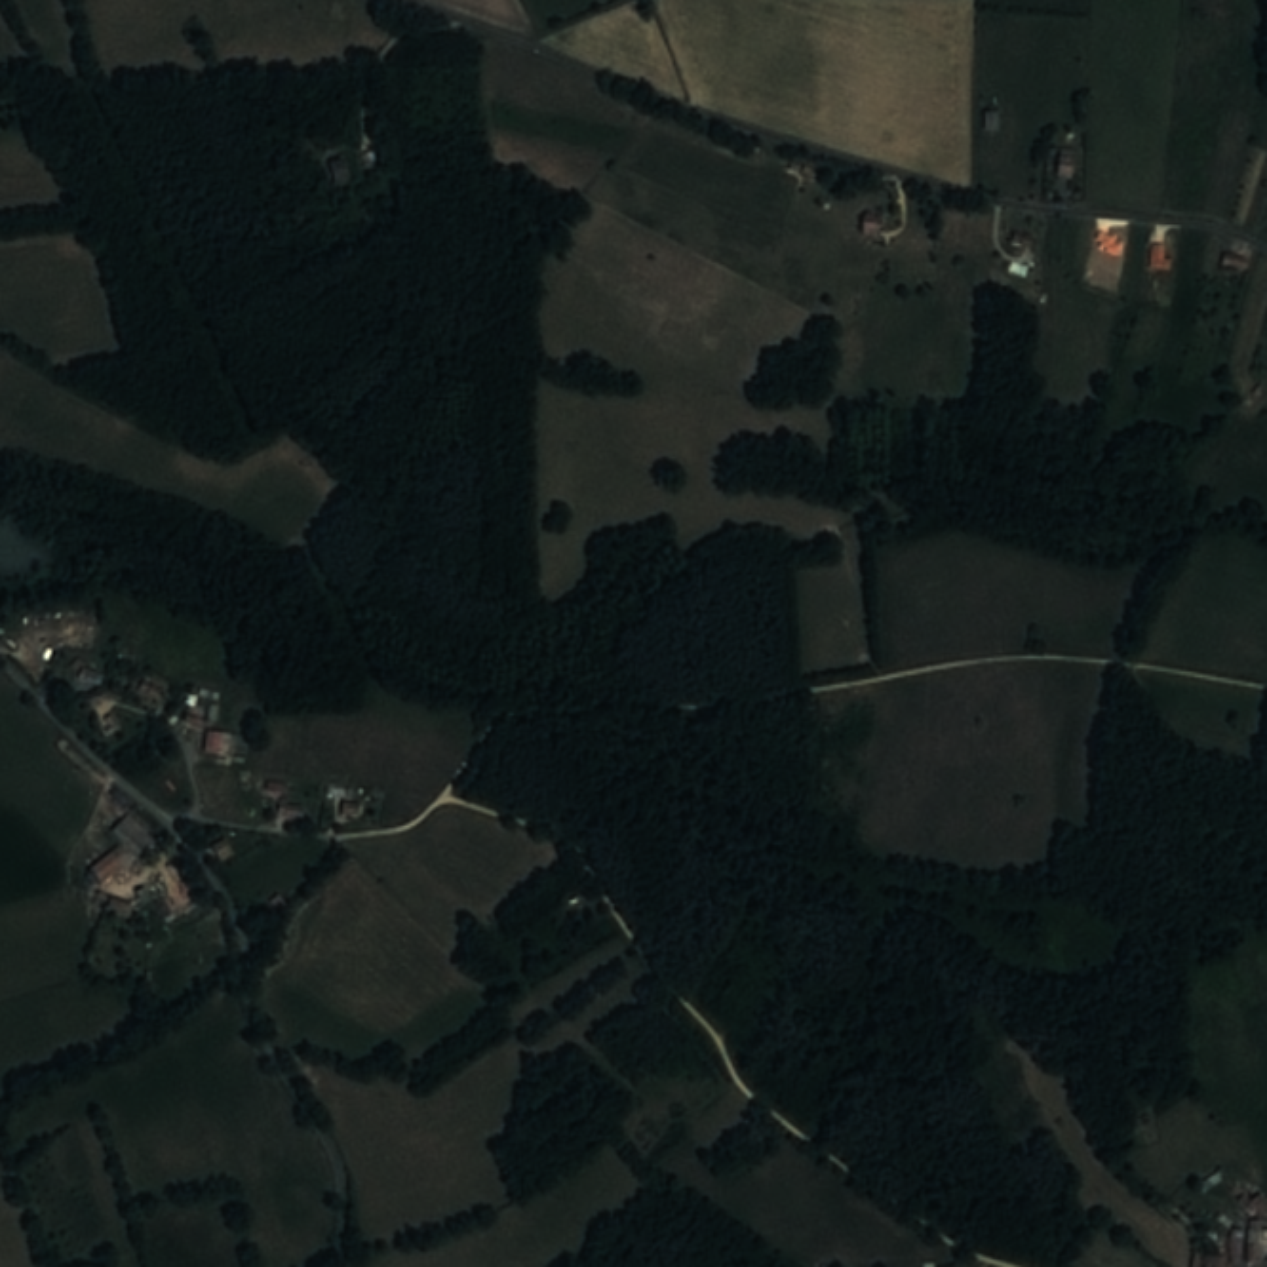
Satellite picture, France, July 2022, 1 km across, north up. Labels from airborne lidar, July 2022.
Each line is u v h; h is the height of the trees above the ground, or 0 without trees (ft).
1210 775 72
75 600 72
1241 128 0
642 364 0
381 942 0
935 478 105
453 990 0
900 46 0
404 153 34
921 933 72
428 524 76
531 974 43
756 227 0
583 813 47
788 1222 0
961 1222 44
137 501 33
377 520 91
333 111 42
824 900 68
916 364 0
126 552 84
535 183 60
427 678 64
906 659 0
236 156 47
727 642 60
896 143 0
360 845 0
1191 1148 0
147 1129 0
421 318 76
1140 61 0
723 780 71
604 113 0
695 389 0
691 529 0
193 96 70
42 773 0
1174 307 0
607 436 0
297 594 71
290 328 51
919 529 21
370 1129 0
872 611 39
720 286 0
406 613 52
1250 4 0
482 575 59
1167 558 85
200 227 46
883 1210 43
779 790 76
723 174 0
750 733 76
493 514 58
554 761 46
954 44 0
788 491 73
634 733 74
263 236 42
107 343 0
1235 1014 0
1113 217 0
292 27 0
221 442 75
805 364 67
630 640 77
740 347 0
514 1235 0
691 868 81
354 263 72
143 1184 0
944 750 0
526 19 0
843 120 0
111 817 0
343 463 80
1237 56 0
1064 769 0
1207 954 68
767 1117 58
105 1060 53
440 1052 36
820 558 46
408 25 60
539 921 35
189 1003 40
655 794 78
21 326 0
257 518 0
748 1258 26
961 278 0
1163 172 0
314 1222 0
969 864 0
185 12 0
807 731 53
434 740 0
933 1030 45
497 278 56
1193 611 0
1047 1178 66
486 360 62
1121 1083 51
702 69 0
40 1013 0
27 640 0
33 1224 56
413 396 67
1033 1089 0
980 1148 72
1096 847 62
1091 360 0
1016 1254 42
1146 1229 0
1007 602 0
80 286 0
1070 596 0
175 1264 0
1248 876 82
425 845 0
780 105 0
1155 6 0
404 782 0
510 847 0
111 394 57
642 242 0
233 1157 0
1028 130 0
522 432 51
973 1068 46
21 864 0
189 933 0
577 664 47
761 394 76
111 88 66
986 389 76
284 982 0
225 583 112
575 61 0
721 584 56
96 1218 0
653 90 56
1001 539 36
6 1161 39
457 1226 53
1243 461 0
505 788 48
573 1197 0
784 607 54
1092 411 63
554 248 68
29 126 78
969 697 0
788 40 0
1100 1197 0
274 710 28
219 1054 0
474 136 25
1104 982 64
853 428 95
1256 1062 0
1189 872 80
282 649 61
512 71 0
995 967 42
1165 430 53
